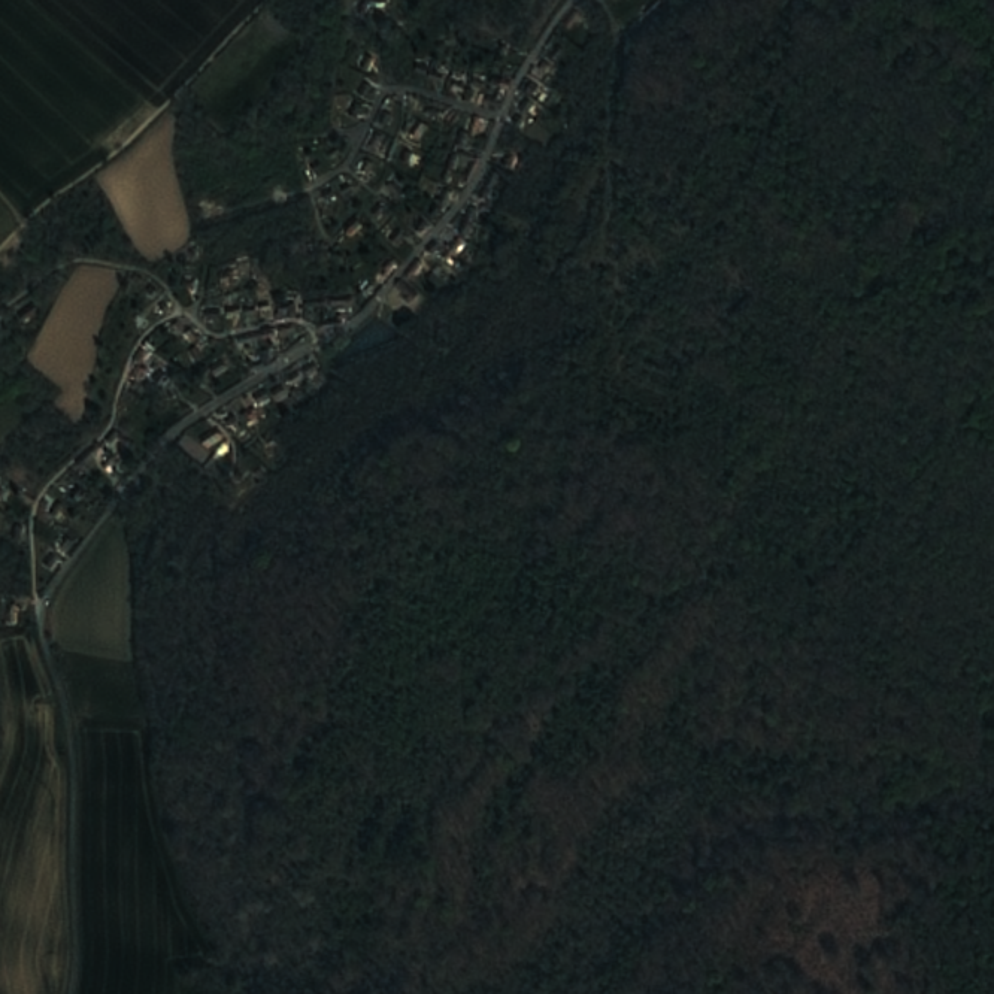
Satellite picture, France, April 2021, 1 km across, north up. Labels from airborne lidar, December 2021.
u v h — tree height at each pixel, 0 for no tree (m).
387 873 7
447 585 13
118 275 0
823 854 16
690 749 24
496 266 7
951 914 16
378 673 13
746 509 13
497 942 34
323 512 17
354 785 15
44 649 0
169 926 0
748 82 13
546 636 15
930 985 16
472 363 10
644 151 8
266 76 0
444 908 25
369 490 19
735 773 20
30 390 14
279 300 10
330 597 21
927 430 24
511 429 9
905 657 24
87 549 0
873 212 26
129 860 0
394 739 13
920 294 25
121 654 0
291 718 14
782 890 27
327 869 21
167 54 0
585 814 28
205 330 0
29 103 0
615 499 21
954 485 25
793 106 22
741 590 21
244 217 9
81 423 6
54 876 0
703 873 30
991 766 29
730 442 21
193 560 10
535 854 18
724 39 29
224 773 19
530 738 19
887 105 24
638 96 22
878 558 23
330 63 19
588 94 8
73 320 0
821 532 13
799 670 23
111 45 0
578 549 18
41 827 0
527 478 17
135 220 0
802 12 25
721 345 18
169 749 22
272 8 7
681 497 8
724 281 5
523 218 12
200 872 12
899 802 14
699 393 12
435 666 8
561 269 7
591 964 15
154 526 11
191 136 19
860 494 22
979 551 22
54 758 0
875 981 30
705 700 26
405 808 14
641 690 24
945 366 29
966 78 21
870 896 0
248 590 25
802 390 20
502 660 14
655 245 13
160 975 0
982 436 16
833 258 13
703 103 15
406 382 10
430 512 10
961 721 24
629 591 14
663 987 15
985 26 21
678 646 24
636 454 24
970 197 24
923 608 23
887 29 20
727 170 9
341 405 12
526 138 6
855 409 17
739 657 24
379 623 15
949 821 13
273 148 8
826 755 20
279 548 19
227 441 0
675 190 10
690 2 26
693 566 22
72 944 0
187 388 11
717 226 14
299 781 8
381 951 18
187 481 19
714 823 21
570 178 14
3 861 0
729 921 26
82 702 0
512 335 8
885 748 27
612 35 9
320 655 20
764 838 10
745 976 17
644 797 23
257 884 15
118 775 0
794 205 20
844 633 22
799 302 14
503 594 8
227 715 19
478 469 15
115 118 0
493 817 19
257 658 24
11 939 0
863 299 16
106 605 0
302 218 19
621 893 19
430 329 10
